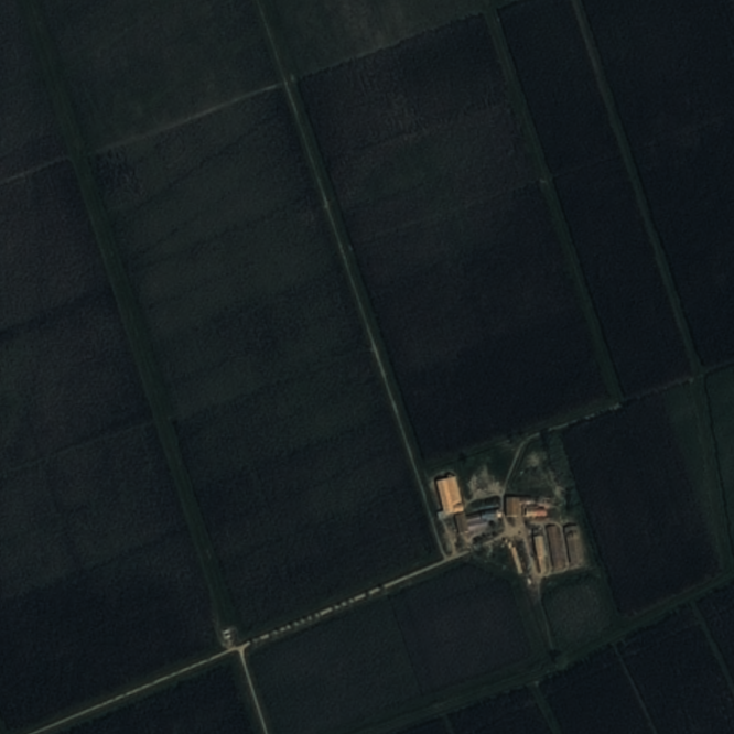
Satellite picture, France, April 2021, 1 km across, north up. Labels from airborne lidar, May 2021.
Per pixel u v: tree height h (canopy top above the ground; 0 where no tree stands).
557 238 15
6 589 10
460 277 12
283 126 8
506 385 16
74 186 11
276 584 10
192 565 8
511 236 12
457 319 10
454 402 15
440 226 7
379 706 6
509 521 7
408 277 10
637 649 14
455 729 10
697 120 13
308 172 8
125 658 14
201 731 9
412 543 8
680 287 16
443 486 0
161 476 9
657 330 15
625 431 13
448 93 10
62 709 11
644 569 13
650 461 14
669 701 13
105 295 9
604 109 14
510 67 0
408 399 13
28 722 13
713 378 11
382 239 7
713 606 11
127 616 11
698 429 10
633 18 11
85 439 8
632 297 16
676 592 14
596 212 15
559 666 20
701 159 16
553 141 15
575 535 0
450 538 0
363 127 8
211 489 9
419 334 9
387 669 6
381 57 7
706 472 8
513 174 11
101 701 0
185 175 7
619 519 13
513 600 7
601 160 13
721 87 14
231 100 0
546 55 12
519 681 0
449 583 8
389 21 0
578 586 7
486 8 0
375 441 8
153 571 8
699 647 12
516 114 11
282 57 0
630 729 12
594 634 7
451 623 6
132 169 8
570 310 13
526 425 18
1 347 9
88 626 14
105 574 7
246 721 12
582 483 15
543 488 0
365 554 9
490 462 0
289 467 10
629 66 13
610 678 14
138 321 0
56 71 0
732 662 11
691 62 14
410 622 8
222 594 0
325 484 7
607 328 17
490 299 12
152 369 0
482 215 9
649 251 15
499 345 12
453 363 13
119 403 7
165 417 0
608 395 10
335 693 6
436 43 10
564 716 13
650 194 16
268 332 7
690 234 17
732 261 13
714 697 11
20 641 12
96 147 0
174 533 9
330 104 11
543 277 14
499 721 13
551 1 11
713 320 17
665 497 12
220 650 0
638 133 15
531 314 12
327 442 9
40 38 0
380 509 9
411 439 0
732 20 13
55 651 12
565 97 13
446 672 8
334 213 0
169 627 11
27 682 15
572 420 0
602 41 13
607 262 16
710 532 11
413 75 10
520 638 7
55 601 12
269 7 0
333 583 10
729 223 16
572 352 15
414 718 0
